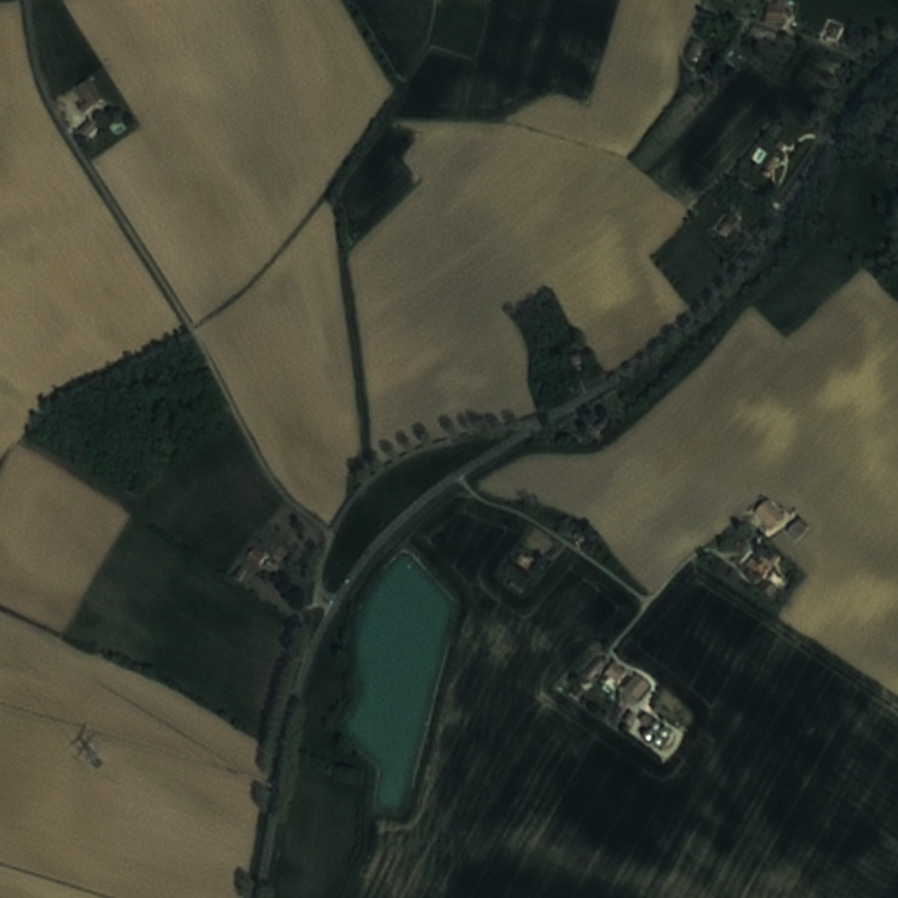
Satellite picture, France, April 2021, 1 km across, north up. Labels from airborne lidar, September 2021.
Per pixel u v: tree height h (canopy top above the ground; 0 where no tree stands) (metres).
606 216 0
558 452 0
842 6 0
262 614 0
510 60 0
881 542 0
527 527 0
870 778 0
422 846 0
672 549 0
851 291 0
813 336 0
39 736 0
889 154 23
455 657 0
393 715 0
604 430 9
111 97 0
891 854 0
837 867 0
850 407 0
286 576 9
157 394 27
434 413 0
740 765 0
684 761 0
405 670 0
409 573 0
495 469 0
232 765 0
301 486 0
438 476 0
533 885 0
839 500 0
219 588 0
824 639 0
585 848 0
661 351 21
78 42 0
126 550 0
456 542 0
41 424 15
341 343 0
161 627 0
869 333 0
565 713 0
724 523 0
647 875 0
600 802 0
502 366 0
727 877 0
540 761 0
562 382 6
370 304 0
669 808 0
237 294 0
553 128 0
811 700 0
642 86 0
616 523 0
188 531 0
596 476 0
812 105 0
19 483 0
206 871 0
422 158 0
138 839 0
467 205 0
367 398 0
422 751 0
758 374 0
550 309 13
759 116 0
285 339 0
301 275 0
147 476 20
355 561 0
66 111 0
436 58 0
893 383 0
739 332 0
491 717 0
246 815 0
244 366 0
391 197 0
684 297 10
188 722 0
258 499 0
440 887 0
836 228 16
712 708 0
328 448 0
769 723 0
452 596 0
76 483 0
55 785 0
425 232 0
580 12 0
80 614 0
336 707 8
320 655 0
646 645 0
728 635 0
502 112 0
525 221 0
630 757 0
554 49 0
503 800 0
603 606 0
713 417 0
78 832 0
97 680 0
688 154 0
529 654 0
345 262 0
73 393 20
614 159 0
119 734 0
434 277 0
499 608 0
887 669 0
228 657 0
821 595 0
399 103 0
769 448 0
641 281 0
